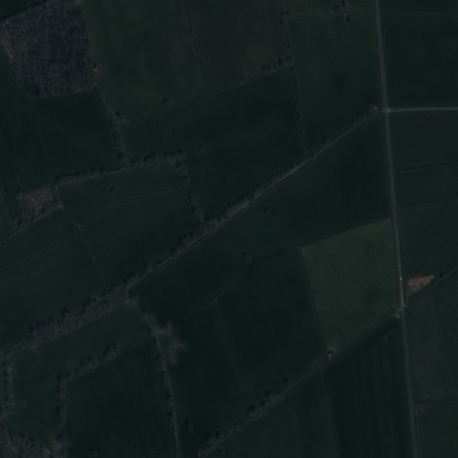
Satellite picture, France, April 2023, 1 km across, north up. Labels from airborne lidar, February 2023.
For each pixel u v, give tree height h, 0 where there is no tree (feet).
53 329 64
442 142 0
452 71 0
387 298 0
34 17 55
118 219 0
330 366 0
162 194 0
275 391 0
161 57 0
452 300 0
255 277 0
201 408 0
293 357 0
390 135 0
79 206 0
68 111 0
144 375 0
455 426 0
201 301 0
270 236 0
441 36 0
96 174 48
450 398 0
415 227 0
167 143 0
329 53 0
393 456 0
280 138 0
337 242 0
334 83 0
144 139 0
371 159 0
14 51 83
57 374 0
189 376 0
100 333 0
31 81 68
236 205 27
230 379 0
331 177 0
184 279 0
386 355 0
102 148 0
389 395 0
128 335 0
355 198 0
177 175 0
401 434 0
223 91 0
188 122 0
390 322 0
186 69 0
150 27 0
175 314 0
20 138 0
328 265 0
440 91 0
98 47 0
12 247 0
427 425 0
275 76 0
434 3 0
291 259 0
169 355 0
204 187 0
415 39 0
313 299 0
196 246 0
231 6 0
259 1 0
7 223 0
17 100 0
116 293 77
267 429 0
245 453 0
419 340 0
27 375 0
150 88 0
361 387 0
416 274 0
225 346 0
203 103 0
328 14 0
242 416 0
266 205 0
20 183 0
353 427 0
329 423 0
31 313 0
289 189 0
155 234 0
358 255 0
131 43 0
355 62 0
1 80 0
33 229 0
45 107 0
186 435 0
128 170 57
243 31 0
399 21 0
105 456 0
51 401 0
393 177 0
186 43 0
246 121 0
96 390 0
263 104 0
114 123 58
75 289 0
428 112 0
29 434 0
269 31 0
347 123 0
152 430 0
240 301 0
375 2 0
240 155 0
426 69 0
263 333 0
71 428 0
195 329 0
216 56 0
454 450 0
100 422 0
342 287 0
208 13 0
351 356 0
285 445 0
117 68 0
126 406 0
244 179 0
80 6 0
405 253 0
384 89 0
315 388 0
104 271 0
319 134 0
